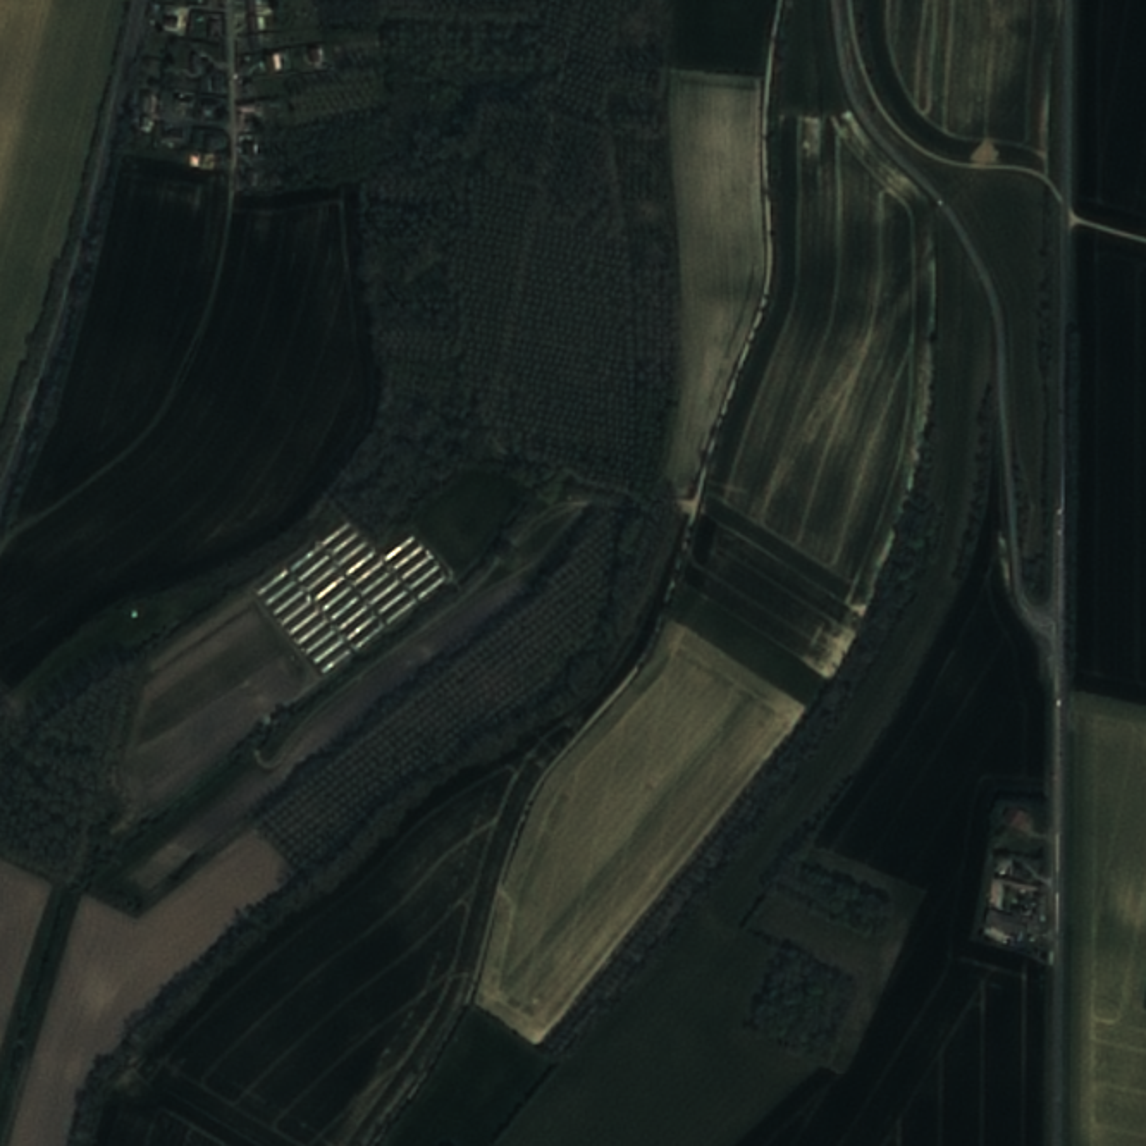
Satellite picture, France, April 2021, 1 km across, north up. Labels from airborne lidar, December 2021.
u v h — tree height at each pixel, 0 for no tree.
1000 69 0
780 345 0
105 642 0
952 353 0
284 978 0
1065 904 0
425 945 0
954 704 0
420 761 22
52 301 12
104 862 12
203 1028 0
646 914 0
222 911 0
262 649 0
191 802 0
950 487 0
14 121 0
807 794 0
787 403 0
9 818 40
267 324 0
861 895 15
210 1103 0
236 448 0
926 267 0
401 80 6
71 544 0
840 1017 16
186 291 0
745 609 0
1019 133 0
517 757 0
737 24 0
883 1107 0
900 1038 0
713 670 0
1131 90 0
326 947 0
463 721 22
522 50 19
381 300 6
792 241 0
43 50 0
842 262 0
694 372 0
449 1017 0
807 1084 0
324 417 0
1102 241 0
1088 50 0
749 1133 0
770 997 13
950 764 0
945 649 0
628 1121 0
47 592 0
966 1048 0
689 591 0
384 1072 0
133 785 0
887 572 5
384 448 22
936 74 0
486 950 0
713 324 0
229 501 0
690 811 0
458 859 0
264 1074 0
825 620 0
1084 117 0
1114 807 0
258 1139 0
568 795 0
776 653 0
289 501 0
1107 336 0
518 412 27
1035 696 0
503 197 28
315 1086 0
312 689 0
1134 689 0
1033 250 0
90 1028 0
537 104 34
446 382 21
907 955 0
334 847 5
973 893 0
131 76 9
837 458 0
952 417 0
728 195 0
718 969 0
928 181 0
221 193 0
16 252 0
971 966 0
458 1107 0
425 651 0
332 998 0
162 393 0
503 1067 0
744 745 0
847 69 0
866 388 0
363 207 19
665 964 0
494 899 0
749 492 0
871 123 0
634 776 0
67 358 5
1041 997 0
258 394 0
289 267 0
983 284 0
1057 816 0
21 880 0
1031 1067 0
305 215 0
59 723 34
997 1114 0
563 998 0
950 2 0
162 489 0
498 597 0
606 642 19
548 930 0
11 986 0
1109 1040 0
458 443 10
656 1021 0
